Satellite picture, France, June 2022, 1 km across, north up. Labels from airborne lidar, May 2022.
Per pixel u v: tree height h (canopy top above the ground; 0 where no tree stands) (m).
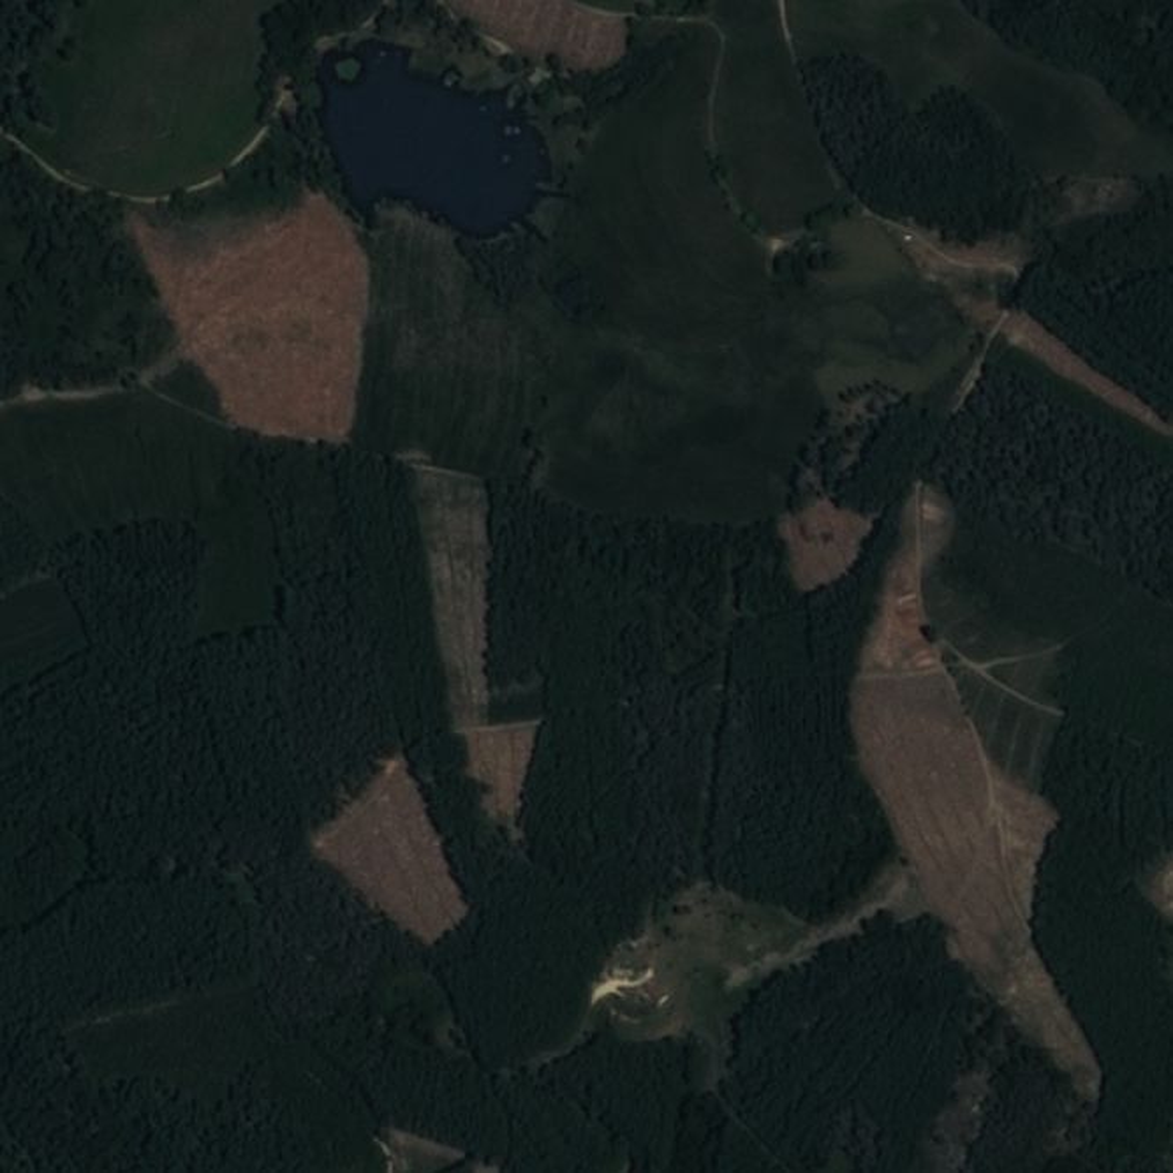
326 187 16
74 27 0
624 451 0
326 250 0
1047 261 8
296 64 18
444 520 0
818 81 17
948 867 0
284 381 0
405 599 14
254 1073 20
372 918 11
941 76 0
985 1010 16
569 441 0
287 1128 22
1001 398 19
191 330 0
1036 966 0
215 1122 25
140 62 0
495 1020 27
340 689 21
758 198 0
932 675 0
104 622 15
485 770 0
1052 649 0
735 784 14
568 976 30
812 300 0
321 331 0
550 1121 28
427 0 20
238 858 20
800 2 0
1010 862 0
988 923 0
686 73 0
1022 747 0
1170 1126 13
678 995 0
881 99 14
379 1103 26
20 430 0
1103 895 18
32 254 14
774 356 0
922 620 0
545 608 17
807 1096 10
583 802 16
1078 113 0
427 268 0
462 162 0
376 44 0
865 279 0
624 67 8
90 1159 14
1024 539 9
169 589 19
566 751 15
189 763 17
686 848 22
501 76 0
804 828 21
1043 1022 0
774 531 10
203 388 0
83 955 25
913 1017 15
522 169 0
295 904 18
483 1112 27
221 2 0
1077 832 15
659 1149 25
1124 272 6
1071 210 0
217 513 6
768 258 0
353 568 13
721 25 0
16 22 35
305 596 21
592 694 12
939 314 0
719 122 0
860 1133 19
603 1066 28
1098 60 24
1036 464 16
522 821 15
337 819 19
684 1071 19
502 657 16
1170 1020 19
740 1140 12
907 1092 14
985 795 0
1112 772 14
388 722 23
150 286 9
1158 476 17
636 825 19
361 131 0
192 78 0
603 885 15
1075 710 6
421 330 0
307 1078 6
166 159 0
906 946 17
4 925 6
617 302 0
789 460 0
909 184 21
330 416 0
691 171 0
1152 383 25
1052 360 0
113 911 28
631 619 13
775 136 0
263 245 0
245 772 31
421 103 0
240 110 0
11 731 14
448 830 29
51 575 23
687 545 12
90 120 0
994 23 16
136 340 11
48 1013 26
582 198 8
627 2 0
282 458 16
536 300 0
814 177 0
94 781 23
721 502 0
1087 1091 0
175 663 21
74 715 15
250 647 27
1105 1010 22
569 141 0
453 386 0
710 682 15
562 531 16
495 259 15
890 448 28
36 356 7
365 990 11
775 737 16
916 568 0
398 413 0
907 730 0
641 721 14
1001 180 25
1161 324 33
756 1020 25
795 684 14
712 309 0
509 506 13
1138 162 0
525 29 0
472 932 20
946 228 14
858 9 0
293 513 8
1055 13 31
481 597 0
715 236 0
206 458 0
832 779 15
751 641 15
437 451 0
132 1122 11
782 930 0
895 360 0
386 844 0
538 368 0
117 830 31
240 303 0
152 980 25
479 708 0
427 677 16
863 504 29
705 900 7
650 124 0
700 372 0
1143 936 19
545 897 29
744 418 0
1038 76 0
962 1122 8
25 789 21
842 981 19
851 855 14
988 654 0
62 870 23
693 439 0
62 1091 22
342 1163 8
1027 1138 18
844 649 31
